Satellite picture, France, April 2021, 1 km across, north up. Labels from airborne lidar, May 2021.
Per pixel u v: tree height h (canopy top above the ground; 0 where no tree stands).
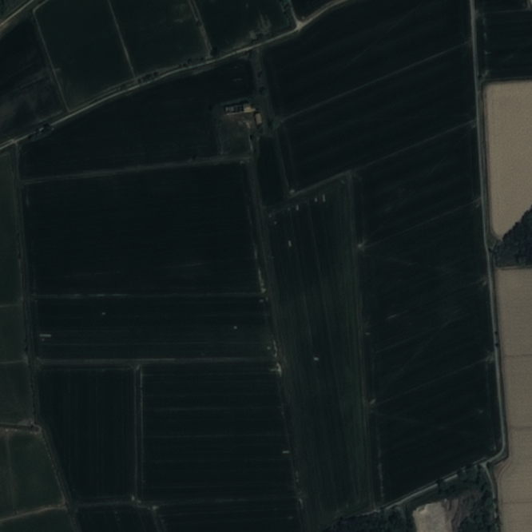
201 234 0
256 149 6
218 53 18
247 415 0
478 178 0
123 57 0
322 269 0
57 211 0
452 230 0
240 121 0
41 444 0
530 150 0
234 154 0
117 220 0
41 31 0
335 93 0
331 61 0
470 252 0
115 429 0
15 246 0
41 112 0
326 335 0
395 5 0
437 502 0
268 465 0
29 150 0
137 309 0
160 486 0
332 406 0
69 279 0
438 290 0
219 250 0
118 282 0
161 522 0
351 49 0
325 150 0
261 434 0
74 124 0
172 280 0
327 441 0
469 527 12
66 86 0
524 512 0
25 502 0
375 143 0
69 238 0
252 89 0
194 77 0
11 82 0
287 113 0
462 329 0
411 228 0
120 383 0
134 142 0
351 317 0
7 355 0
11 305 0
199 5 0
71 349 0
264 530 0
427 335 0
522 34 0
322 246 0
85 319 0
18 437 0
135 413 0
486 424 0
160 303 0
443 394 0
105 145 0
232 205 0
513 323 0
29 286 0
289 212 0
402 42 0
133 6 0
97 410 0
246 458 0
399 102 0
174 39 0
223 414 0
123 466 0
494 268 0
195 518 0
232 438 0
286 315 0
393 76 0
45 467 0
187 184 0
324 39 0
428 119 0
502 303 0
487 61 0
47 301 0
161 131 0
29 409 0
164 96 0
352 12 0
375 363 0
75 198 0
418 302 0
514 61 0
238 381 0
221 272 0
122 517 0
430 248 0
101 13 0
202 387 0
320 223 0
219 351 0
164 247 0
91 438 0
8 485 0
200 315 0
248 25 0
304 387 0
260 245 0
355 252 0
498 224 0
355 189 0
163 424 0
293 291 0
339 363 0
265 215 0
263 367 0
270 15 0
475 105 0
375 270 0
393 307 0
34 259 0
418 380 0
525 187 0
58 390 0
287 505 0
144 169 0
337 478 0
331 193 0
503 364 0
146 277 0
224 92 0
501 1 0
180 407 0
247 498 0
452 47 0
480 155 0
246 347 0
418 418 0
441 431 0
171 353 0
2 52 0
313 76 0
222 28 0
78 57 0
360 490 0
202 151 0
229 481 0
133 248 0
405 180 0
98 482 0
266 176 0
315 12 0
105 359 0
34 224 0
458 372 0
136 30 0
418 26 0
